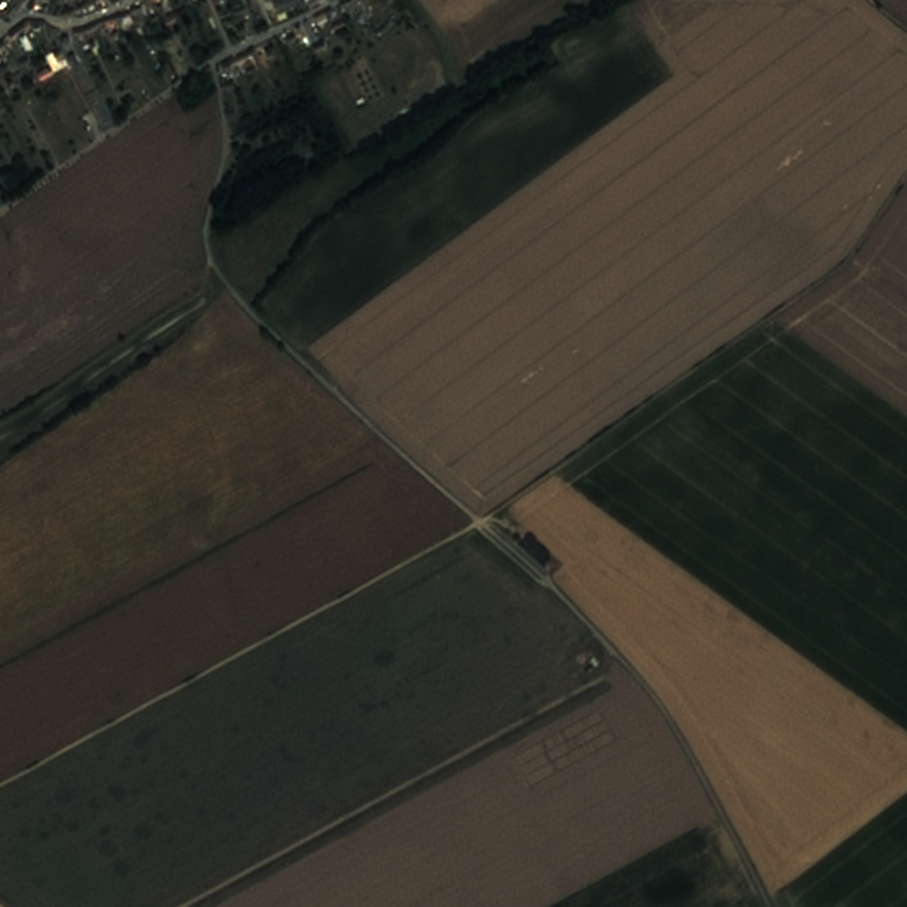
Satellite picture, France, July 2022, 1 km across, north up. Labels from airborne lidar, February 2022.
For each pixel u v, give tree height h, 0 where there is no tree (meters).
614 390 0
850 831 0
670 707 0
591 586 0
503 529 0
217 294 0
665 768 0
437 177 0
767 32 0
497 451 0
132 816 0
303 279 0
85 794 0
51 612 0
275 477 0
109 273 0
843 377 0
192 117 0
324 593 0
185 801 0
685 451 0
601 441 0
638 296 0
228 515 0
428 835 0
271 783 0
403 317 0
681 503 0
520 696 0
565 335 0
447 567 0
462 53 0
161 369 0
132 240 0
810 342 0
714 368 0
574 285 0
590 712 0
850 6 0
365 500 0
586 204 0
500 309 0
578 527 0
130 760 0
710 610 0
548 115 0
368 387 0
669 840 0
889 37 0
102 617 0
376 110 0
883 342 0
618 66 0
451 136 9
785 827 0
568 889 0
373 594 0
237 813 0
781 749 0
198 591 0
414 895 0
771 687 0
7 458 0
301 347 0
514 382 0
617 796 0
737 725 0
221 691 0
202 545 0
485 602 0
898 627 0
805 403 0
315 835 0
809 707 0
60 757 0
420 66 0
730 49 0
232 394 0
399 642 0
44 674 0
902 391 0
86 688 0
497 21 0
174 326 0
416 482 0
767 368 0
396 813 0
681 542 0
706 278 0
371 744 0
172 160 0
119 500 0
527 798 0
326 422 0
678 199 0
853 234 0
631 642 0
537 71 10
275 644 0
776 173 0
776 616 0
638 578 0
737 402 0
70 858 0
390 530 0
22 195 11
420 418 0
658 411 0
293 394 0
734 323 0
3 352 0
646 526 0
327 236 0
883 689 0
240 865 0
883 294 0
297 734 0
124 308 0
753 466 0
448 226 0
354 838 0
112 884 0
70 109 0
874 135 0
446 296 0
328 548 0
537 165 0
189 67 0
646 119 0
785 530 0
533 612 0
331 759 0
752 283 0
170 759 0
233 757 0
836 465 0
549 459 0
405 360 0
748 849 0
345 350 0
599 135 0
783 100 0
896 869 0
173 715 0
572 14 18
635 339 0
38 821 0
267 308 0
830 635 0
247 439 0
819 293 0
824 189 0
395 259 0
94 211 0
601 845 0
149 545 0
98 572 0
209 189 0
